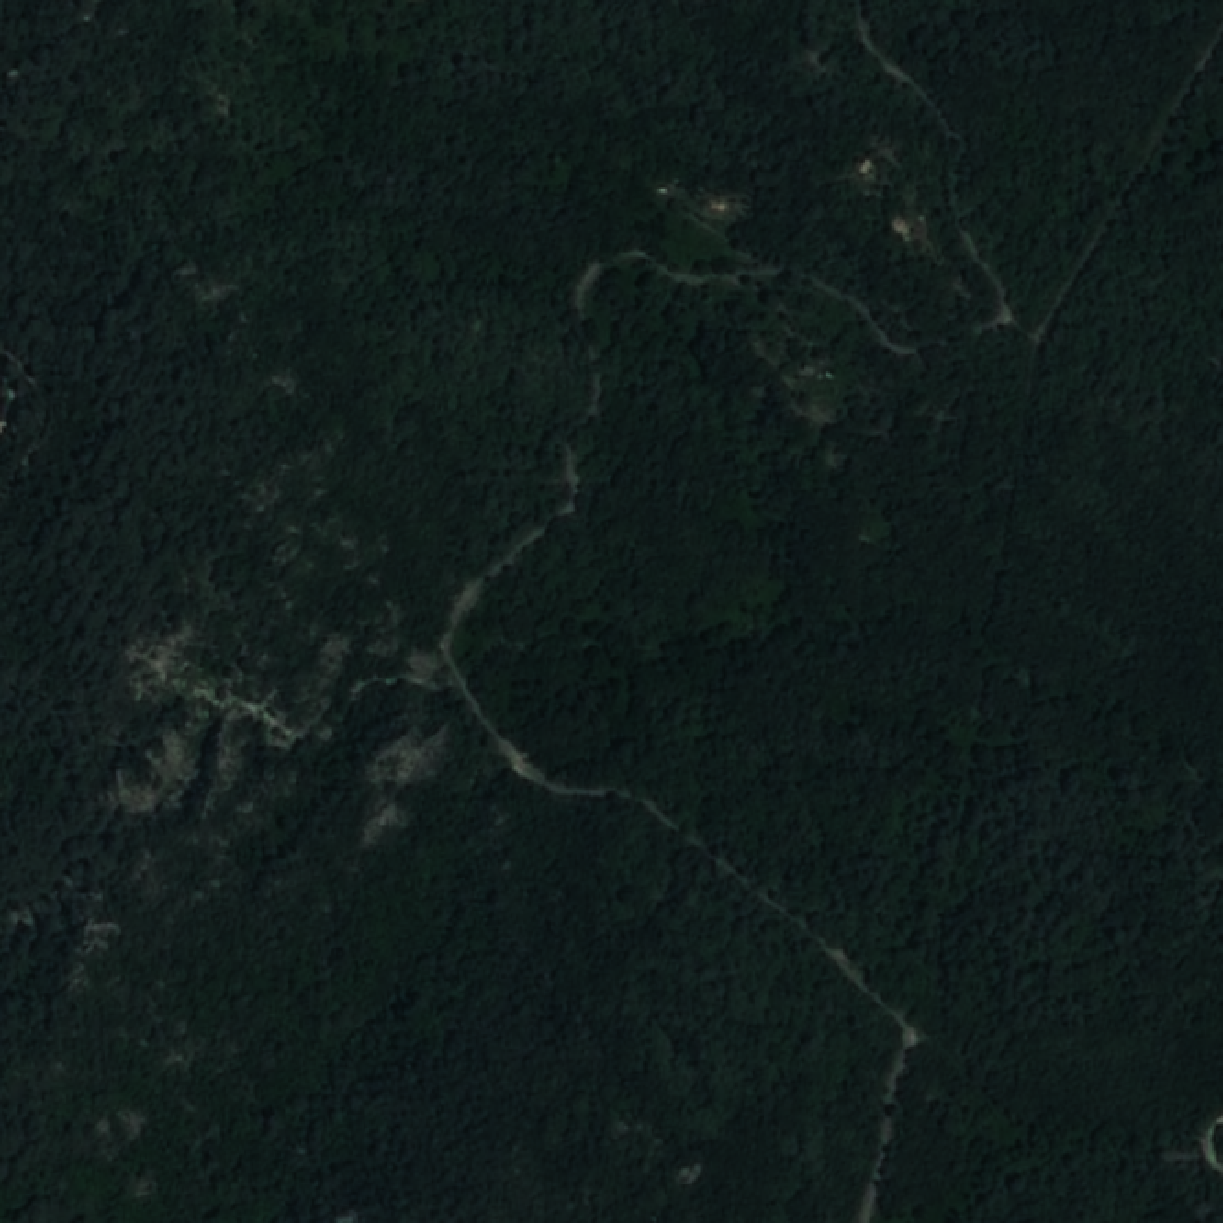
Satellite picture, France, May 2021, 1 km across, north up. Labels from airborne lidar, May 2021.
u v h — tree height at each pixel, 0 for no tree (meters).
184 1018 10
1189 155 16
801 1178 14
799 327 6
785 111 17
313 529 8
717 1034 18
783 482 22
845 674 15
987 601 16
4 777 9
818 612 17
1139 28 13
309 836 12
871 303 11
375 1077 11
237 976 15
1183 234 8
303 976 16
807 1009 13
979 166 18
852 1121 18
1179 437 15
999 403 21
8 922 31
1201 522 6
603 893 12
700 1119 20
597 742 21
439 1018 12
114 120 19
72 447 7
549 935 16
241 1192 14
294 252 11
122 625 25
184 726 6
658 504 18
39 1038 7
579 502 9
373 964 17
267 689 8
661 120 11
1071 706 14
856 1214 15
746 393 21
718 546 19
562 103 17
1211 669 14
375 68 17
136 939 14
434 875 13
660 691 22
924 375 10
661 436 13
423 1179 14
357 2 13
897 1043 7
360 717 8
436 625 16
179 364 23
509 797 9
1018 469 6
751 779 15
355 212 11
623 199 19
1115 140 15
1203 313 17
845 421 12
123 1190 23
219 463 6
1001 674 23
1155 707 21
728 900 18
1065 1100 16
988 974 14
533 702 20
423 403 13
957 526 21
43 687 9
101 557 24
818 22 17
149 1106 11
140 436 28
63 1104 11
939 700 13
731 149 14
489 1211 7
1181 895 18
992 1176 17
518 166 17
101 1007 11
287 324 7
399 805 10
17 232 10
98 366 30
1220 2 17
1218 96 19
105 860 29
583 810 12
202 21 16
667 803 9
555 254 20
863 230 18
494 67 23
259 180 20
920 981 18
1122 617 17
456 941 18
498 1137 8
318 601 7
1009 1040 7
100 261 14
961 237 10
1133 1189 11
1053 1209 16
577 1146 14
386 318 15
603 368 16
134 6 15
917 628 21
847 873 17
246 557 10
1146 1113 13
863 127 13
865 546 13
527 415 14
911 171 12
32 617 16
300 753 14
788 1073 11
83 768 22
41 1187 16
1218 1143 12
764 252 14
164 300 12
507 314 15
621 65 17
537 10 15
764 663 22
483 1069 6
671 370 26
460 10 18
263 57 17
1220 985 15
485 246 18
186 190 14
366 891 15
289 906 10
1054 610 11
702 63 16
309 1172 11
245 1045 10
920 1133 18
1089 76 15
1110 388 12
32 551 23
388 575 17
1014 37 22
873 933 21
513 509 12
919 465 15
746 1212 15
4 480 9
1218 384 18
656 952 15
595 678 16
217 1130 20
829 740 17
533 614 13
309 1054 14
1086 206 17
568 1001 16
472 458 15
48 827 29
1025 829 18
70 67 30
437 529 11
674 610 14
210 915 7
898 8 17
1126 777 31
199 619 11
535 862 9
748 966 19
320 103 14
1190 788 20
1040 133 15
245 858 12
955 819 16
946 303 14
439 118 17
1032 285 13
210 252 15
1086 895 28
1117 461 8
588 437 20
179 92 16
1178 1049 11
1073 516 12
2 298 16
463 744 8
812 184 15
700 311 15
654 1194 22
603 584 13
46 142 22
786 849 21
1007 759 18
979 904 16
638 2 18
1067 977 20
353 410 15
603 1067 16
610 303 15
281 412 16
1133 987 16
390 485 18
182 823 8
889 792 16
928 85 13
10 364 30
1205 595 11
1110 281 16
